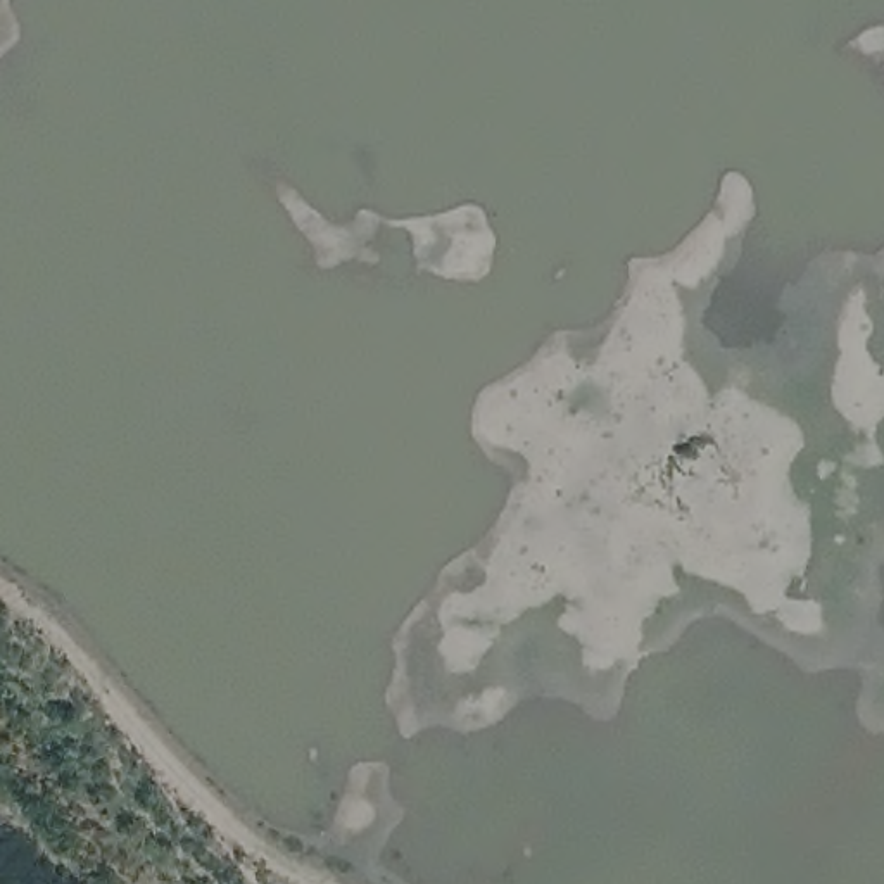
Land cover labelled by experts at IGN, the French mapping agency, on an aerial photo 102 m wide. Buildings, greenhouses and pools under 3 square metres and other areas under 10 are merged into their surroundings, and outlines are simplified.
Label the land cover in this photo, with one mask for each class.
<instances>
[{"label":"water","instance_id":"1","mask_svg":"<svg viewBox=\"0 0 884 884\"><path fill-rule=\"evenodd\" d=\"M17 17L21 38L7 55H0V577L14 580L28 594V601L45 604V611L73 632V639L104 666V673H111L121 684L128 701L138 708L145 722H152L166 746L252 829L276 825L307 836L325 832L338 818L352 767L383 763L390 770V798L401 805L404 818L394 829L380 867L394 870L407 884H884V732H870L856 715L863 677L856 670L836 666L808 673L791 656L760 642L753 632L739 628L722 615L691 622L670 649L642 656L635 666L628 673L615 718H590L577 701L566 698H525L515 701L494 725L477 732L432 725L418 736H401L397 715L387 704V687L394 680L397 628L421 597L435 590L442 566H449L456 556H463L490 535L511 494V473L487 459L483 445L473 435V411L480 394L528 366L553 342L556 332L608 325L628 297L632 259H656L677 252L715 211L725 176L736 173L749 183L753 214L742 228V245L736 259L722 252V262L711 276L715 287L701 325L708 335L718 338L722 349H729L774 342L780 328L777 304L784 287L798 283L822 252H884V0H7ZM287 190H297L300 200L321 211V218L335 228L356 221L359 211H376L390 218H428L456 207H480L494 235L490 269L477 280L425 273L418 269L414 235L397 228L373 235L376 262L345 259L338 266H318L314 242L294 224V218L280 204Z\"/></svg>","mask_w":884,"mask_h":884},{"label":"bare soil","instance_id":"2","mask_svg":"<svg viewBox=\"0 0 884 884\"><path fill-rule=\"evenodd\" d=\"M21 38L17 17L7 0H0V55H7ZM753 214L749 183L736 173L725 176L715 211L677 252L656 259H632L628 297L608 325L556 332L553 342L528 366L480 394L473 411V435L483 445L487 459L511 473V494L490 535L494 546L487 556L483 587L470 594H449L439 604V649L449 670H473L480 653H487L501 639L504 622L518 618L525 608L546 604L556 594H566V615L559 618V625L584 642V663L590 670H608L618 660H628L635 666L642 656V622L653 615L660 597L677 594L673 566H684L704 580H718L739 590L722 615L739 628L753 632L760 642L791 656L808 673L836 666L856 670L863 677L856 715L870 732H884V511H870L881 525L877 535H856V549L863 559L849 573L853 608L846 611L843 625L822 622L818 601L787 597V580L805 570L811 549L808 508L791 490V463L801 452V428L787 414L749 401L746 390L749 369H801L811 356L815 335L836 332L839 363L832 376V401L853 428L863 432V445L846 452L836 511L839 518H853L860 511L856 477L867 466H881L884 459V373L867 352V338L870 311L884 300V252H822L798 283L784 287L777 304L780 328L774 342L729 349L739 359V369L729 376L722 394L704 390L701 376L684 356L680 294L711 276L722 262V252L736 259L742 245V228ZM580 383L601 387L604 397L590 411L570 414L563 404H556V390H577ZM280 204L294 218V224L314 242L318 266H338L345 259L376 262L373 235L397 228L414 235L418 269L425 273L477 280L490 269L494 235L480 207H456L428 218H390L376 211H359L356 221L335 228L321 218V211L300 200L297 190H287ZM0 601L10 615L31 622L41 632V639L52 642L69 660V666L83 673L86 691L124 732L128 746H135L152 767V777L162 787L166 801L190 805L214 829L211 849L218 856L242 846L249 856H259L269 867V874L290 884H407L394 870L380 867L394 829L404 818L401 805L390 798V770L383 763L352 767L338 818L325 832L307 836L276 825L252 829L166 746L152 722H145L138 708L128 701L121 684L111 673H104V666L73 639V632L45 611V604L28 601V594L14 580L0 577Z\"/></svg>","mask_w":884,"mask_h":884},{"label":"herbaceous vegetation","instance_id":"3","mask_svg":"<svg viewBox=\"0 0 884 884\"><path fill-rule=\"evenodd\" d=\"M715 287L711 276L680 294L684 356L701 376L704 390L722 394L729 376L739 369V359L729 349H722L718 338L708 335L701 325ZM867 352L884 373V300L870 311L867 338ZM839 363L836 332L815 335L811 356L801 369H749L746 390L749 401L787 414L801 428V452L791 463V490L808 508L811 549L805 570L787 580V597L818 601L822 622L843 625L846 611L853 608L849 573L863 559L856 549V535H877L881 525L870 511H884V459L881 466H867L856 477L860 511L853 518H839L836 511L846 452L863 445V432L853 428L832 401V376ZM604 397L601 387L580 383L577 390H556V404H563L570 414L590 411ZM494 546L490 535L463 556H456L449 566H442L435 590L421 597L397 628L394 680L387 687V704L397 715L401 736H418L432 725L477 732L494 725L515 701L525 698H566L577 701L590 718H615L628 673L635 666L628 660H618L608 670H590L584 663V642L559 625V618L566 615V594H556L546 604L525 608L518 618L504 622L501 639L487 653H480L473 670H449L439 649V604L449 594H470L483 587L487 556ZM677 594L660 597L653 615L642 622V656L670 649L691 622L722 615L739 590L718 580H704L684 566H673Z\"/></svg>","mask_w":884,"mask_h":884},{"label":"brushwood","instance_id":"4","mask_svg":"<svg viewBox=\"0 0 884 884\"><path fill-rule=\"evenodd\" d=\"M48 666L59 677L52 684L55 701H48V715H83L86 722H93V746L107 756V784L114 791L100 794L97 801H90V794L79 791L76 805L86 811V818L107 829L111 846L128 849V863L97 867L93 874H69L66 867L48 863L21 829L3 825L0 818V884H290L269 874V867L259 856H249L242 846L218 856L211 849L214 829L190 805L166 801L162 787L152 777V767L135 746H128L124 732L86 691L83 673L69 666V660L52 642L41 639V632L31 622L10 615L0 601V673L38 680V673Z\"/></svg>","mask_w":884,"mask_h":884},{"label":"deciduous trees","instance_id":"5","mask_svg":"<svg viewBox=\"0 0 884 884\"><path fill-rule=\"evenodd\" d=\"M59 677L48 666L38 673V680L0 673V818L3 825L21 829L48 863L66 867L69 874H93L97 867L128 863V849L111 846L107 829L86 818V811L76 805L79 791L90 794V801H97L100 794L114 791L107 784V756L93 746V722H86L83 715H48V701H55L52 684Z\"/></svg>","mask_w":884,"mask_h":884}]
</instances>
